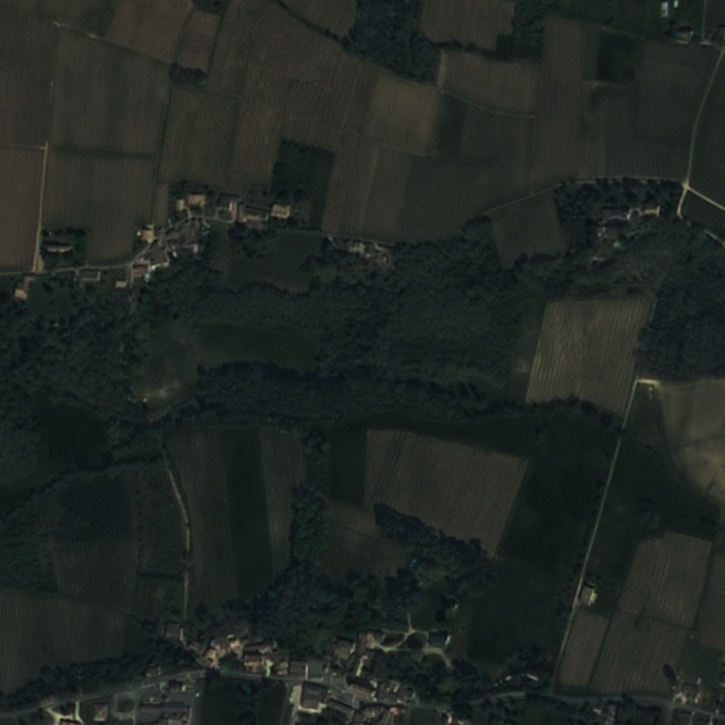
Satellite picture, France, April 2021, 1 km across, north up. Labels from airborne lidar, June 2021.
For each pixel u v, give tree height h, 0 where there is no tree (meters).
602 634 0
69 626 0
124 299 16
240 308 24
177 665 6
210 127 0
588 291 11
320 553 23
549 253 0
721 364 18
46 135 0
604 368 0
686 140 0
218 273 8
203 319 22
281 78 0
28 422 9
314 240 0
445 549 17
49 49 0
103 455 0
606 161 0
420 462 0
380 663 16
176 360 0
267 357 0
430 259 18
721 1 0
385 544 0
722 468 0
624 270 17
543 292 14
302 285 0
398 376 20
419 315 16
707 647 0
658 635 0
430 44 16
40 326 7
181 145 0
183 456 0
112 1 0
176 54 0
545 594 0
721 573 0
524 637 0
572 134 0
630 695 0
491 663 0
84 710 0
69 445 0
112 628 0
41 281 0
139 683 0
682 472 0
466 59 0
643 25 0
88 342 21
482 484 0
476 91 0
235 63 0
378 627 16
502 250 0
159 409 0
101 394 19
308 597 23
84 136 0
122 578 0
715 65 0
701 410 0
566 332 0
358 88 0
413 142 0
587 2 0
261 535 0
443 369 22
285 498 0
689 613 0
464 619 0
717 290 13
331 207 0
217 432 0
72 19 0
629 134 0
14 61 0
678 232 17
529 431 0
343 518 0
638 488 0
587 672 0
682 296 13
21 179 0
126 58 0
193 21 0
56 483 10
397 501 0
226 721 0
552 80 0
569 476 0
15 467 8
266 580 0
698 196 0
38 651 0
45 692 7
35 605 0
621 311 0
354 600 14
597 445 0
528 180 0
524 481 0
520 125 0
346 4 0
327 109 0
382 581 0
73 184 0
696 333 19
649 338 20
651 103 0
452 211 0
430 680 9
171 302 17
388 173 0
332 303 19
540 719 0
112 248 0
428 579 21
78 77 0
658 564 0
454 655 22
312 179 0
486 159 0
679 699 0
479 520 0
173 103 0
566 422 0
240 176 0
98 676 14
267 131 0
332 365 15
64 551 0
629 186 10
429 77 13
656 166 0
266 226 10
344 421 17
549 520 0
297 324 19
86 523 12
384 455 0
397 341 15
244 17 0
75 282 8
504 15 0
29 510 6
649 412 0
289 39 0
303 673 0
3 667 0
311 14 0
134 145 0
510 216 0
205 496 0
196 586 0
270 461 0
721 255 16
